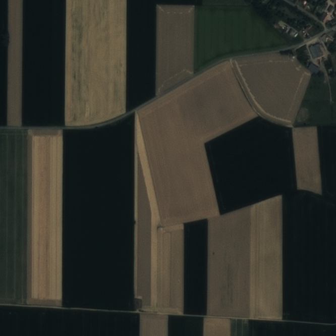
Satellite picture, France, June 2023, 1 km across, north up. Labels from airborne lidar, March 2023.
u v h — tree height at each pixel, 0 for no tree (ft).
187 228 0
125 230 0
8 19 0
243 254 0
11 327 0
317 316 0
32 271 0
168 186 0
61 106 0
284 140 0
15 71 0
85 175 0
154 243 0
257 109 0
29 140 0
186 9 0
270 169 0
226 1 0
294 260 0
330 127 0
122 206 0
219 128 0
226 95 0
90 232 0
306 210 0
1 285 0
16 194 0
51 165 0
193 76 0
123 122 0
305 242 0
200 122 0
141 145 0
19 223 0
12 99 0
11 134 0
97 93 0
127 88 0
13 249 0
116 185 0
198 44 0
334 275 0
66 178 0
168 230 0
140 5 0
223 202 0
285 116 0
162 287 0
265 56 0
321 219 0
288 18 26
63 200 0
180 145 0
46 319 0
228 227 0
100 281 0
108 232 0
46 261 0
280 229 0
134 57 0
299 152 0
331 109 0
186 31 0
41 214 0
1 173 0
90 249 0
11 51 0
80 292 0
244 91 0
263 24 0
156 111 0
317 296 0
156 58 0
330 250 0
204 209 0
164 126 0
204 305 0
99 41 0
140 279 0
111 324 0
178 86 0
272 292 0
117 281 0
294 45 0
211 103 0
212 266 0
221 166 0
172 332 0
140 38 0
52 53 0
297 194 0
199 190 0
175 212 0
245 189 0
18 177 0
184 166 0
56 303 0
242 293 0
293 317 0
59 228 0
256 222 0
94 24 0
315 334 0
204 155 0
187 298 0
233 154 0
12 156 0
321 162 0
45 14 0
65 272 0
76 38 0
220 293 0
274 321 0
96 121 0
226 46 0
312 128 0
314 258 0
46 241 0
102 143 0
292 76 0
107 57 0
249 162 0
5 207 0
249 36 0
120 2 0
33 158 0
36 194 0
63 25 0
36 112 0
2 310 0
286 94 0
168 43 0
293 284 0
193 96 0
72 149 0
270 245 0
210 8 0
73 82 0
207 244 0
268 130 0
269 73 0
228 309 0
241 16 0
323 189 0
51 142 0
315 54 0
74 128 0
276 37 0
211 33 0
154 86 0
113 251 0
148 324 0
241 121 0
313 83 0
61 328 0
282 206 0
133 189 0
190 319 0
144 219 0
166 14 0
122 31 0
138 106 0
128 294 0
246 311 0
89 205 0
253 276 0
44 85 0
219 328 0
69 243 0
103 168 0
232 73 0
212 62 0
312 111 0
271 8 41
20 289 0
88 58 0
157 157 0
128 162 0
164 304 0
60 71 0
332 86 0
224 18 0
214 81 0
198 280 0
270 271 0
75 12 0
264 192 0
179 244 0
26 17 0
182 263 0
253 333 0
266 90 0
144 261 0
